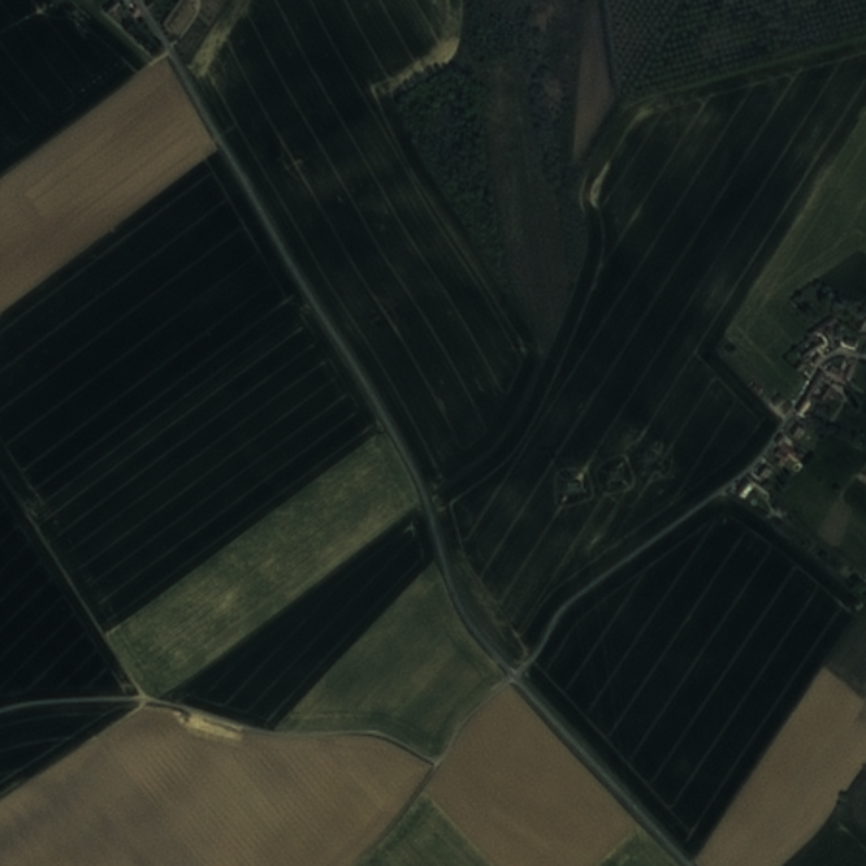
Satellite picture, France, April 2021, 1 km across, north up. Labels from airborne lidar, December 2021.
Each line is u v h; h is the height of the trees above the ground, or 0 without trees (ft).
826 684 0
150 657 0
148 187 0
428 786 0
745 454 0
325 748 0
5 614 0
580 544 0
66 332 0
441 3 0
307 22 0
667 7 99
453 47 0
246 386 0
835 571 31
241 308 0
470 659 0
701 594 0
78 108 0
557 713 0
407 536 0
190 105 0
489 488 0
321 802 0
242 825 0
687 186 0
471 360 0
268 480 0
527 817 0
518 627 0
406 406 0
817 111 0
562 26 0
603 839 0
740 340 0
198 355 0
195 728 0
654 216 0
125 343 0
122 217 0
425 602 0
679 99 0
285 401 0
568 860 0
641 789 0
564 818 0
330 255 0
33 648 0
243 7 0
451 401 0
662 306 0
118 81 0
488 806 0
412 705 0
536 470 0
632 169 0
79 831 0
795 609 0
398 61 0
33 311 0
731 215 0
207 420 0
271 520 0
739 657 0
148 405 0
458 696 0
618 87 81
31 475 0
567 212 0
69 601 0
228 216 0
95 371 0
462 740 0
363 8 0
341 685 0
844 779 0
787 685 0
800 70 0
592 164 0
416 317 0
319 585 0
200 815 0
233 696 0
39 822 0
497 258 32
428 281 0
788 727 0
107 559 0
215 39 0
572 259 0
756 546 0
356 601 0
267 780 0
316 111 0
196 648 0
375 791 0
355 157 0
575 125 0
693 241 0
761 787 0
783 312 0
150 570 0
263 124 0
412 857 0
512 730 0
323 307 0
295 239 0
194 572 0
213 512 0
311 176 0
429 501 0
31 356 0
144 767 0
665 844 0
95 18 0
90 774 0
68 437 0
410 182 0
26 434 0
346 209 0
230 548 0
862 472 0
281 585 0
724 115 0
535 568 0
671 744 0
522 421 0
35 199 0
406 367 0
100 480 0
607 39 64
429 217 0
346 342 0
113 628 0
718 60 89
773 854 0
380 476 0
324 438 0
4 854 0
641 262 0
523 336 0
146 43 48
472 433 0
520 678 0
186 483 0
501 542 0
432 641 0
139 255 0
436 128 40
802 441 0
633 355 0
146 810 0
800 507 0
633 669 0
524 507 0
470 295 0
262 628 0
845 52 0
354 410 0
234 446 0
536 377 0
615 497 0
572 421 0
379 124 0
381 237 0
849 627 0
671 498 0
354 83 0
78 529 0
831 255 0
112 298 0
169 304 0
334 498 0
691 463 0
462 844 0
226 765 0
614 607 0
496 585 0
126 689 0
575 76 0
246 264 0
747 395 0
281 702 0
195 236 0
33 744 0
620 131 0
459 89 45
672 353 0
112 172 0
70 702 0
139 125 0
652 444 0
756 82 0
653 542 0
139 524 0
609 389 0
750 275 0
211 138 0
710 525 0
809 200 0
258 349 0
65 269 0
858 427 0
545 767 0
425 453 0
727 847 0
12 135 0
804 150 0
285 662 0
